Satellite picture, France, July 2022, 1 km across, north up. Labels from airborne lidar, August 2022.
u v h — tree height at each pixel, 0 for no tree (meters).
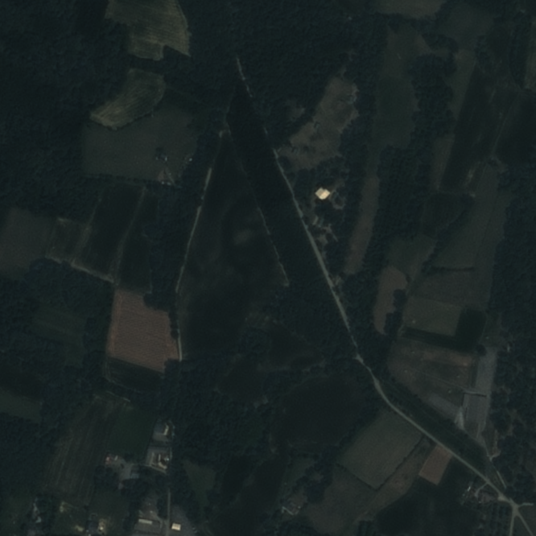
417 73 21
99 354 14
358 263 0
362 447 0
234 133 11
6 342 25
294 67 11
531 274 20
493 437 0
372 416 19
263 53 20
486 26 0
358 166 26
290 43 15
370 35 17
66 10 27
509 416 22
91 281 25
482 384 0
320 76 11
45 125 24
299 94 8
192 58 19
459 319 0
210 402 19
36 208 23
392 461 0
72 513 0
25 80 16
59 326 0
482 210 0
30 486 23
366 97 25
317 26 23
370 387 16
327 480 20
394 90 0
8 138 25
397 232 18
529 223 24
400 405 13
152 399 21
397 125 0
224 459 19
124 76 22
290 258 9
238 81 15
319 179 10
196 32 27
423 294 0
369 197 0
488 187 0
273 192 11
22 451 27
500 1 19
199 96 18
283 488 0
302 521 0
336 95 0
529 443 24
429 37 24
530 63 0
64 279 34
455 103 0
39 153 20
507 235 11
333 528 0
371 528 19
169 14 0
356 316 24
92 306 27
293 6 18
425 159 20
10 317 8
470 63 0
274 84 10
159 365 0
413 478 0
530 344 28
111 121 0
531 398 21
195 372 16
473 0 17
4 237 0
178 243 23
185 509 16
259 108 24
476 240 0
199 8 32
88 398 25
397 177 10
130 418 0
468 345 0
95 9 20
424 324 0
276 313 14
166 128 0
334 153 0
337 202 15
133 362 0
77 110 24
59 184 23
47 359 21
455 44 26
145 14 0
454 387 0
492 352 0
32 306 11
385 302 0
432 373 0
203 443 20
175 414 18
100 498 0
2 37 22
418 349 0
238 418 16
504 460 17
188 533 0
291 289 13
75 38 26
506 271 17
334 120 0
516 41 13
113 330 0
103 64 27
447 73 17
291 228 10
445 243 15
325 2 20
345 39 22
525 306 24
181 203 21
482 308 0
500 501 0
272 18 11
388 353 19
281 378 22
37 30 25
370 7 21
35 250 0
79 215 11
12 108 17
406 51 0
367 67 22
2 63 17
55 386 30
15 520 0
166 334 0
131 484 12
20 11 29
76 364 0
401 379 0
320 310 14
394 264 0
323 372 8
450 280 0
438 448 0
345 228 22
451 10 15
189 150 0
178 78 19
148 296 15
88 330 19
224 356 18
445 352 0
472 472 0
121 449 0
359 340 19
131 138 0
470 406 0
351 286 18
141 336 0
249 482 15
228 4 22
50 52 26
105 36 10
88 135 0
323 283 6
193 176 19
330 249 19
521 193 22
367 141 16
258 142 13
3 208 17
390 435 0
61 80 29
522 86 9
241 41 23
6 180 21
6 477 30
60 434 11
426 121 12
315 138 0
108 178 10
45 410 17
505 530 9
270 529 14
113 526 0
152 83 0
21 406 0
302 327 25
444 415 0
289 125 9
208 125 7
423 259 0
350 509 0
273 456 18
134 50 0
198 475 0
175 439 16
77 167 21
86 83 29
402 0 0
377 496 0
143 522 0
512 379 17
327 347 22
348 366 20
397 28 22
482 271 0
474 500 6
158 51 0
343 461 0
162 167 0
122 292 0
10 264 0
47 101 17
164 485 20
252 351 11
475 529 0
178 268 20
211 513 18
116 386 14
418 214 19
